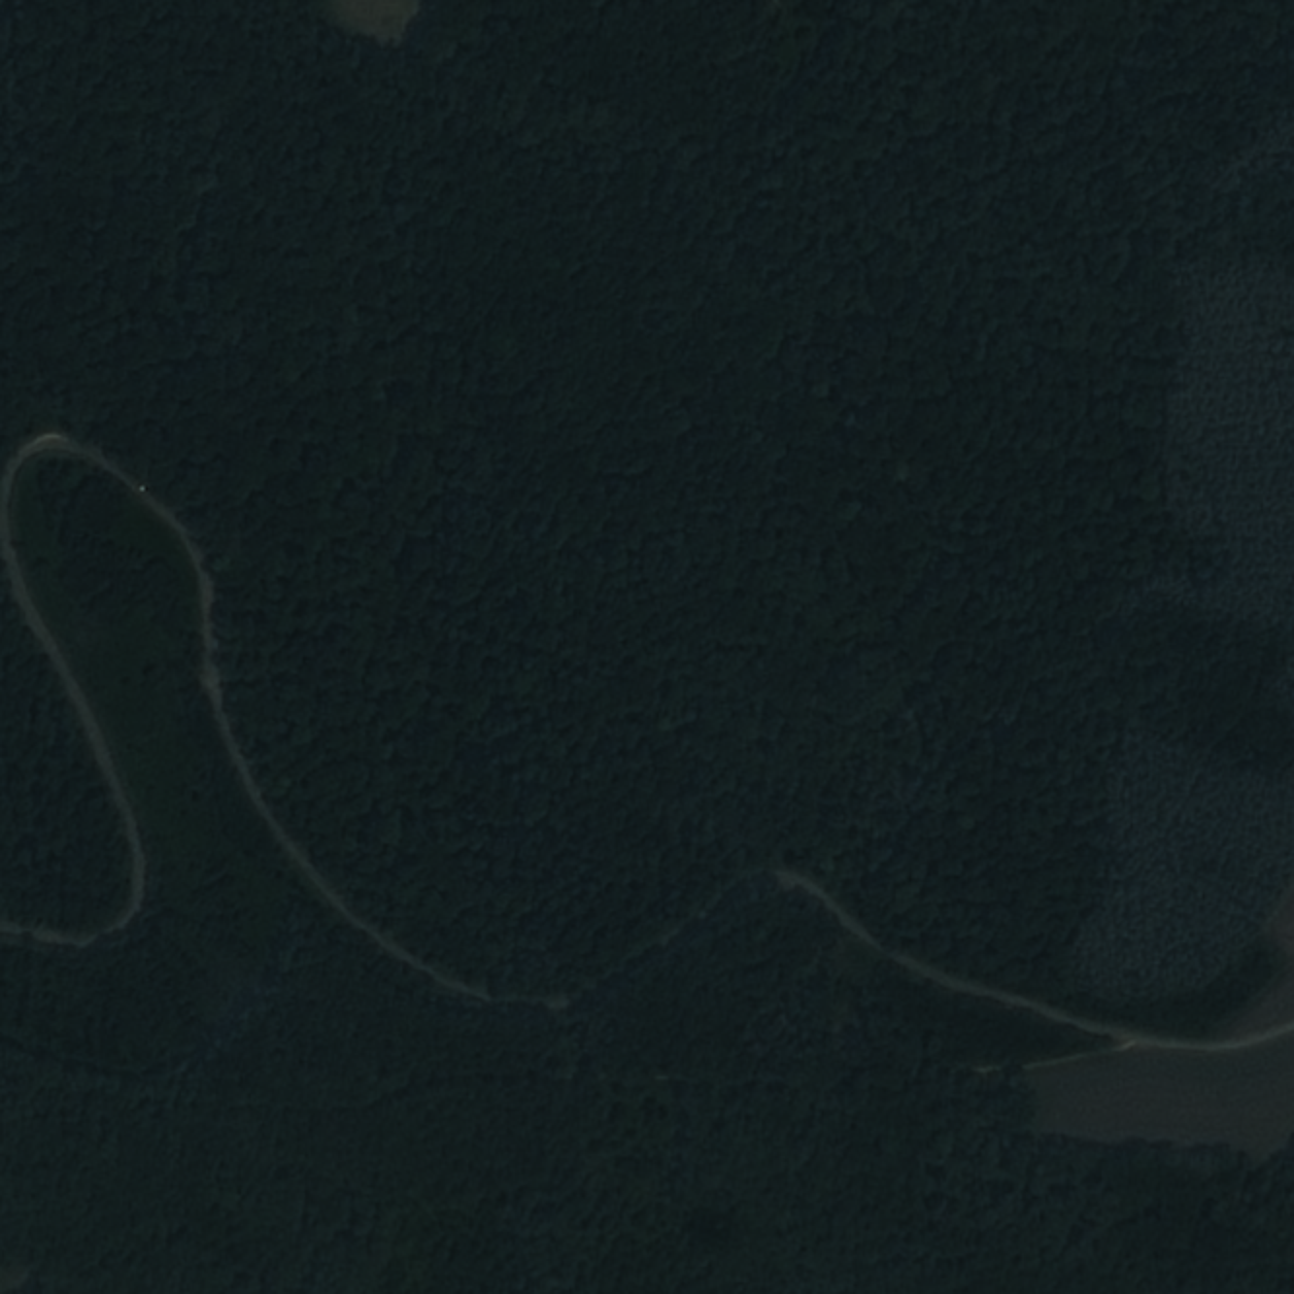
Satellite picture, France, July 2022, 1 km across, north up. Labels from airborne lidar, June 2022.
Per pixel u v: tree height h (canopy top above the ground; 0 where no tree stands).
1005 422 29
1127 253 16
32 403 22
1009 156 19
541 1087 17
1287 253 27
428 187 24
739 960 20
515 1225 21
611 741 27
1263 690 21
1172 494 20
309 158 23
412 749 26
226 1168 26
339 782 26
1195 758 19
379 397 34
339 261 26
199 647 8
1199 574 18
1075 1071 0
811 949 22
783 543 17
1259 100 23
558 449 27
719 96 14
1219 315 22
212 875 7
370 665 25
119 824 24
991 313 24
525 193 18
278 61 23
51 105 34
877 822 23
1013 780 35
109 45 26
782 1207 27
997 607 29
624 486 25
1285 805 23
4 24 29
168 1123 24
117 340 31
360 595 22
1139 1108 0
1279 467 22
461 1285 10
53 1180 23
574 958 22
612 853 24
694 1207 9
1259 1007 0
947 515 19
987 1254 29
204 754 6
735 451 28
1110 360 19
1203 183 25
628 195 26
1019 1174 27
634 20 16
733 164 24
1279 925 0
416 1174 22
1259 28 25
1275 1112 0
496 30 29
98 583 10
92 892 27
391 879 25
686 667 24
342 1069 26
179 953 11
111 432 27
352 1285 26
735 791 18
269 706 26
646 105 17
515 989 20
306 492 27
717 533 22
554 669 25
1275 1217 25
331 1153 19
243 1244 21
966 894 23
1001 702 28
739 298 27
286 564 26
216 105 21
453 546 26
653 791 22
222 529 24
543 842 28
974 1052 6
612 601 27
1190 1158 14
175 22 26
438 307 28
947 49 20
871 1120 18
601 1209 10
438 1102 17
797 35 10
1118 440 23
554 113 24
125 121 31
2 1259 23
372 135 24
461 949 29
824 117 17
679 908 22
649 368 21
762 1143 26
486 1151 19
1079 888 22
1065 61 20
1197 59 28
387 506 27
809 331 22
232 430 31
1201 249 23
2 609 26
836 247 24
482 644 33
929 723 28
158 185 28
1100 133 25
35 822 31
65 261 30
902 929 27
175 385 29
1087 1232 21
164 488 22
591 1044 20
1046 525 31
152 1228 20
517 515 8
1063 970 25
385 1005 27
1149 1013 6
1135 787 20
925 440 27
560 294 24
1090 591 25
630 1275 12
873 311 7
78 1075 23
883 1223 22
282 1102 21
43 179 34
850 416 27
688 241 21
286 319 30
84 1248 23
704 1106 22
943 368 23
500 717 32
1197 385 20
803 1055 26
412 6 0
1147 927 20
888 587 30
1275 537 21
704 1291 10
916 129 28
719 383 23
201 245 38
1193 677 26
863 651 20
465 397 27
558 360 25
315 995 24
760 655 21
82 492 11
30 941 14
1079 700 30
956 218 20
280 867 7
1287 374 21
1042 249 24
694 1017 21
